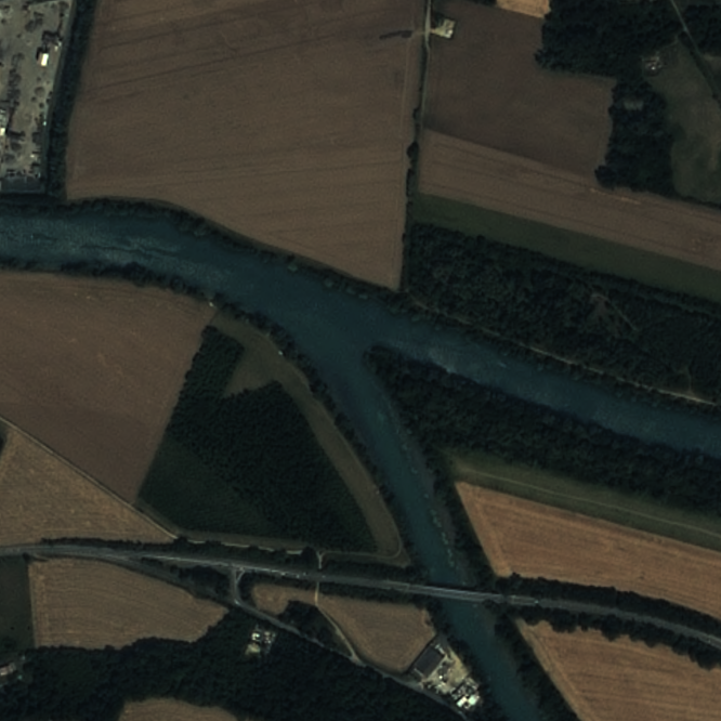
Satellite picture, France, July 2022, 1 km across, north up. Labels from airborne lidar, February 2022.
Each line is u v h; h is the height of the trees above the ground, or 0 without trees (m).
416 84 0
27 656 8
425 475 0
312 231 0
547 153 0
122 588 0
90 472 0
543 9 0
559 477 0
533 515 0
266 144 0
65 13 0
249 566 0
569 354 8
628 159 16
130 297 0
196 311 0
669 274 0
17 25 0
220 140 0
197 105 0
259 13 0
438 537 0
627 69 9
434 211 0
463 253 11
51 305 0
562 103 0
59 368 0
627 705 0
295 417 10
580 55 23
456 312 16
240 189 0
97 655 7
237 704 12
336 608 0
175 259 0
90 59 0
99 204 8
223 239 11
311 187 0
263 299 0
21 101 0
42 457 0
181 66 0
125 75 0
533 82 0
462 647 17
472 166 0
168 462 0
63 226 0
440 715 17
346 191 0
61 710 11
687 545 0
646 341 10
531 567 0
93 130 0
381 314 0
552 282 16
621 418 0
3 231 0
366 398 0
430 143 0
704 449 0
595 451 18
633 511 0
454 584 0
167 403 0
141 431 0
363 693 24
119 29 0
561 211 0
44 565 0
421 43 0
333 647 7
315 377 11
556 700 14
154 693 21
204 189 0
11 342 0
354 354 0
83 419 0
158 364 0
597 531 0
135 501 0
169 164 0
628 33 14
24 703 23
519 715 0
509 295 18
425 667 0
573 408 0
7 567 0
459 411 19
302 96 0
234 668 6
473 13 0
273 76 0
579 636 0
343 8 0
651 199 0
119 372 0
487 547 0
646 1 12
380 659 0
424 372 17
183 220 18
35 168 0
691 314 13
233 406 8
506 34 0
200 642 7
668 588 0
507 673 0
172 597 0
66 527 0
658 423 0
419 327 0
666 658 0
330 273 7
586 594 12
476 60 0
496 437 8
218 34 0
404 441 0
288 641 15
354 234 0
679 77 0
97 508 0
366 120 0
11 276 0
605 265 0
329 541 8
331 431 0
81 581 0
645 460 16
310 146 0
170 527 0
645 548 0
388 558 0
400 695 19
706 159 0
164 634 0
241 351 8
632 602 15
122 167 0
